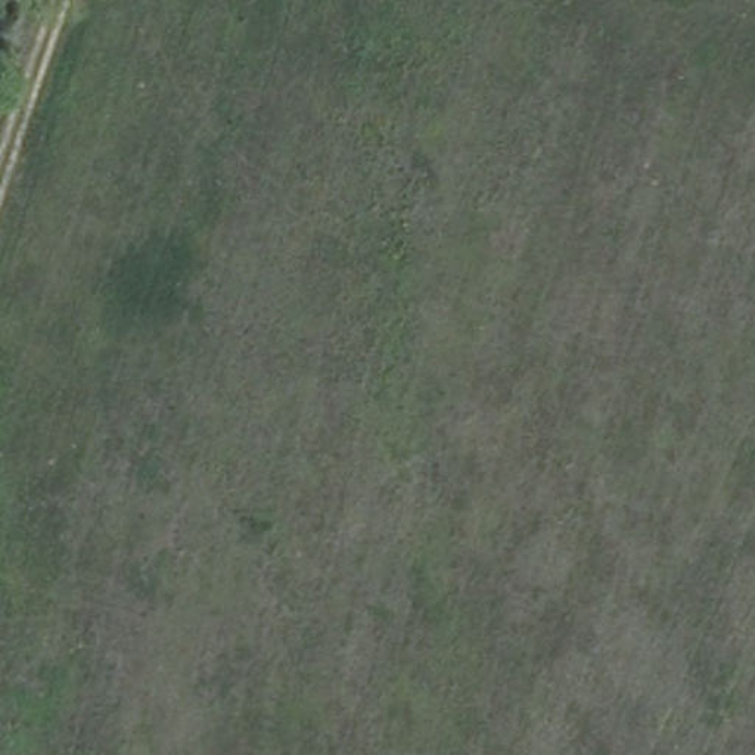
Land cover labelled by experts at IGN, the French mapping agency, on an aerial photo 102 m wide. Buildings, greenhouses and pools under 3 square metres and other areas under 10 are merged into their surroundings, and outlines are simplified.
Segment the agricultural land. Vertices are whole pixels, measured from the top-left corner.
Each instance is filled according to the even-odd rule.
[[[755,0],[80,0],[86,12],[77,24],[65,24],[62,29],[0,212],[0,755],[755,755]]]

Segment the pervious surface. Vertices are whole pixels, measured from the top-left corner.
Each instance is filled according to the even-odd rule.
[[[0,212],[62,29],[65,24],[77,24],[86,12],[80,0],[47,0],[38,9],[35,41],[24,65],[27,91],[12,106],[12,115],[0,115]]]

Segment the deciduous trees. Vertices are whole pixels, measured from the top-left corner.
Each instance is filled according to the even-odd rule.
[[[38,9],[47,0],[0,0],[0,115],[12,115],[12,106],[27,91],[24,65],[35,41]]]

